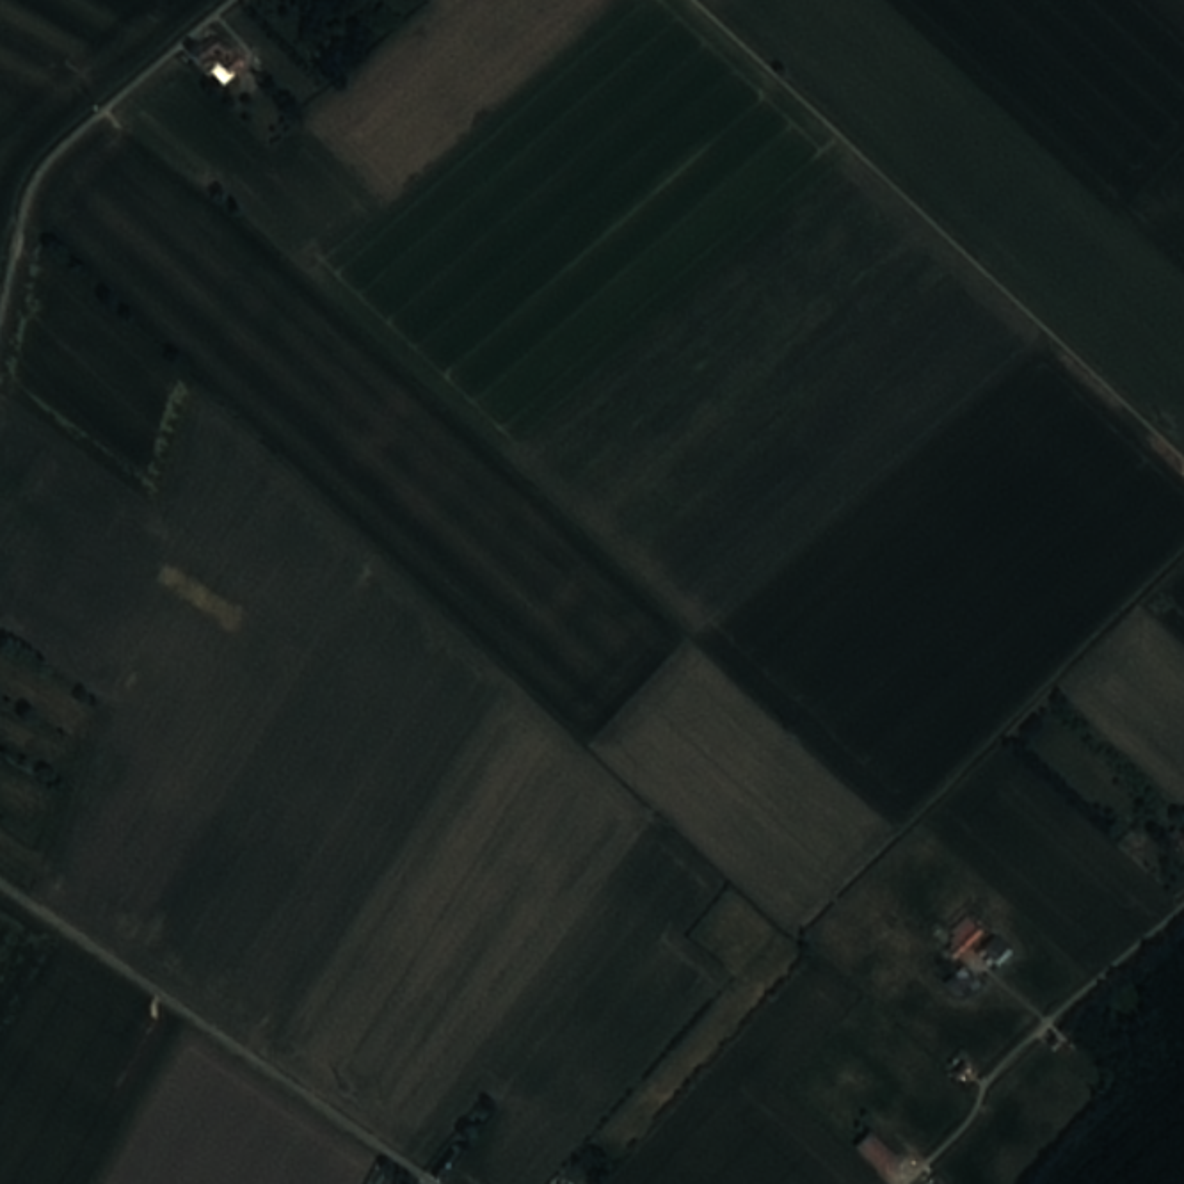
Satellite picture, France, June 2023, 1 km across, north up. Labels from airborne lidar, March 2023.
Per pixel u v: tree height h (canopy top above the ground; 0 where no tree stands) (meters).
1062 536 0
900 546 0
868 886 0
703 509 0
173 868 0
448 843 0
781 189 0
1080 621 0
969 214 0
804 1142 0
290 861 0
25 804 0
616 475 0
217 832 0
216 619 0
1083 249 0
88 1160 0
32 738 0
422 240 0
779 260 0
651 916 0
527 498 0
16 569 0
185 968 0
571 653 0
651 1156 0
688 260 0
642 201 0
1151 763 0
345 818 0
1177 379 0
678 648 0
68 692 0
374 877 0
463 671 0
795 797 0
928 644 0
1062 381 0
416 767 0
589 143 0
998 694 0
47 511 0
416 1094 0
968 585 0
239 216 7
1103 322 0
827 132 0
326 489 0
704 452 0
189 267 0
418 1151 0
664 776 0
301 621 0
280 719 0
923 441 0
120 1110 0
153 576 0
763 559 0
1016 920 0
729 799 0
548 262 0
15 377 0
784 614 0
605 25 0
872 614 0
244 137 0
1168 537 0
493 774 0
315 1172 0
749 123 0
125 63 0
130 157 0
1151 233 0
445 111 0
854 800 0
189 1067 0
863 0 0
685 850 0
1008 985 0
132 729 0
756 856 0
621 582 0
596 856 0
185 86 0
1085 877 0
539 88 0
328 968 0
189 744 0
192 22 0
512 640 0
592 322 0
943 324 0
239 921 0
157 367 0
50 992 0
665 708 0
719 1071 0
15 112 0
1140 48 0
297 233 0
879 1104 0
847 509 0
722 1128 0
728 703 0
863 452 0
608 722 0
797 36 0
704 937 0
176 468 0
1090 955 0
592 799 0
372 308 0
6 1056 0
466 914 0
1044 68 0
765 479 0
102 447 0
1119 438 0
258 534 0
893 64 0
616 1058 0
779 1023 0
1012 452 0
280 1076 0
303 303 0
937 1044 0
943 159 0
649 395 0
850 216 0
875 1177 0
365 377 0
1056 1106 0
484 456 0
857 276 0
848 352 0
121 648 0
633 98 0
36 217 0
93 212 0
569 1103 0
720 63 0
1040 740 0
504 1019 0
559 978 0
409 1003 0
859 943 0
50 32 0
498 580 0
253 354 0
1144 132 0
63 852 0
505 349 0
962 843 0
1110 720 0
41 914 0
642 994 0
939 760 0
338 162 0
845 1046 0
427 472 0
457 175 0
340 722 0
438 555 0
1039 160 0
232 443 0
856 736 0
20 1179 0
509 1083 0
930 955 0
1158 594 0
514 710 0
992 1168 0
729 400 0
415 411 0
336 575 0
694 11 0
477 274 0
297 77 0
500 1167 0
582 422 0
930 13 0
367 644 0
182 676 0
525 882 0
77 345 0
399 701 0
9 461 0
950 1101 0
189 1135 0
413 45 0
